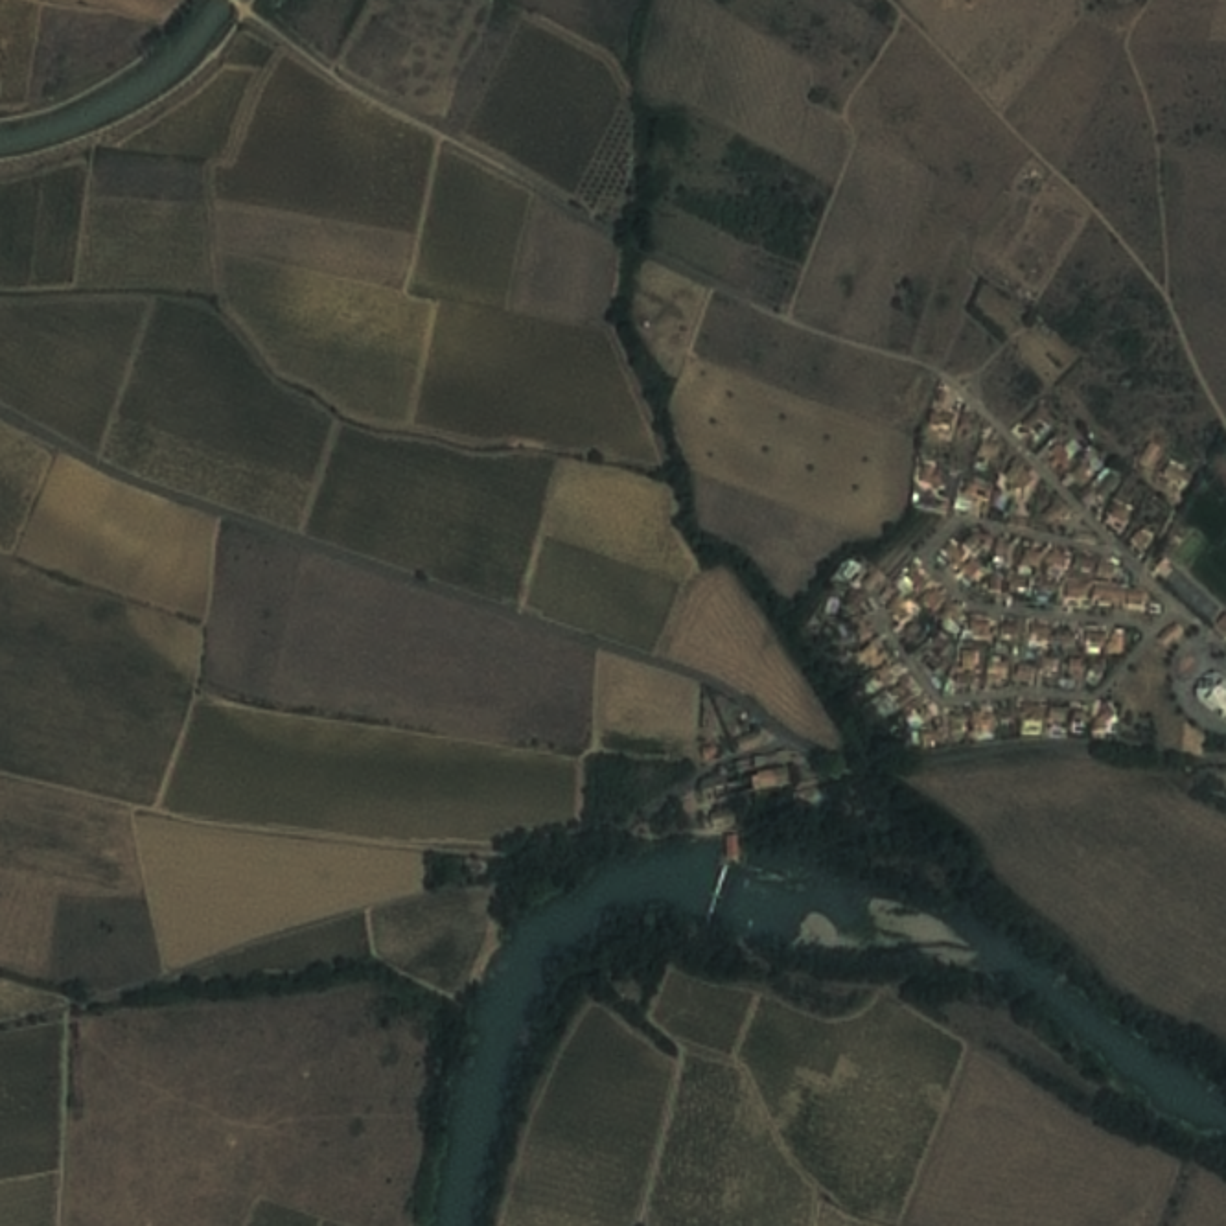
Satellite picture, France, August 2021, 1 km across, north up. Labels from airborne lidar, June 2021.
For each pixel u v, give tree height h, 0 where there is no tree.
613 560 0
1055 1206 0
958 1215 0
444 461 0
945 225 0
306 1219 0
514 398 0
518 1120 12
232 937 0
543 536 0
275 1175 0
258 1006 0
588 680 0
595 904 0
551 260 0
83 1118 0
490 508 0
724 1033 0
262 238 0
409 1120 0
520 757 0
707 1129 0
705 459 0
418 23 0
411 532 0
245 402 0
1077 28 0
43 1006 0
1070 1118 0
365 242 0
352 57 0
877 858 11
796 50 0
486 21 0
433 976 0
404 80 0
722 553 13
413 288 0
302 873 0
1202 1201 0
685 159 0
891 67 0
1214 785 6
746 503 0
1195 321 0
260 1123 0
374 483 0
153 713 0
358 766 0
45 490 0
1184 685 0
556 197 0
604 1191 0
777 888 0
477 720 0
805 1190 0
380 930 0
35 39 0
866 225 0
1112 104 0
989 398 0
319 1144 0
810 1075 0
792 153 0
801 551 0
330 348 0
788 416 0
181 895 0
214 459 0
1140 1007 13
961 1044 0
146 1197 0
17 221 0
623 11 0
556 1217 0
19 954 0
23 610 0
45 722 0
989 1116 0
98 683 0
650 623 0
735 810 15
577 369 0
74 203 0
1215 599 0
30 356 0
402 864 0
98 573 0
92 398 0
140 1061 0
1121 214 0
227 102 0
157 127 0
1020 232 0
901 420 0
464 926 0
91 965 0
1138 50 0
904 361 0
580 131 0
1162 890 0
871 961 19
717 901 0
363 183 0
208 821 0
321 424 0
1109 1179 0
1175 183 0
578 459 6
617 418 0
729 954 24
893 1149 0
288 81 0
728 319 0
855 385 0
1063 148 0
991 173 0
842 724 8
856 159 0
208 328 0
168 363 0
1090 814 0
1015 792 0
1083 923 0
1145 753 15
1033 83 0
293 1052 0
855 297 0
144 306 0
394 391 0
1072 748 0
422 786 0
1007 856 0
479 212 0
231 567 0
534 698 0
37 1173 0
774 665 0
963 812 0
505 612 0
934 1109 0
